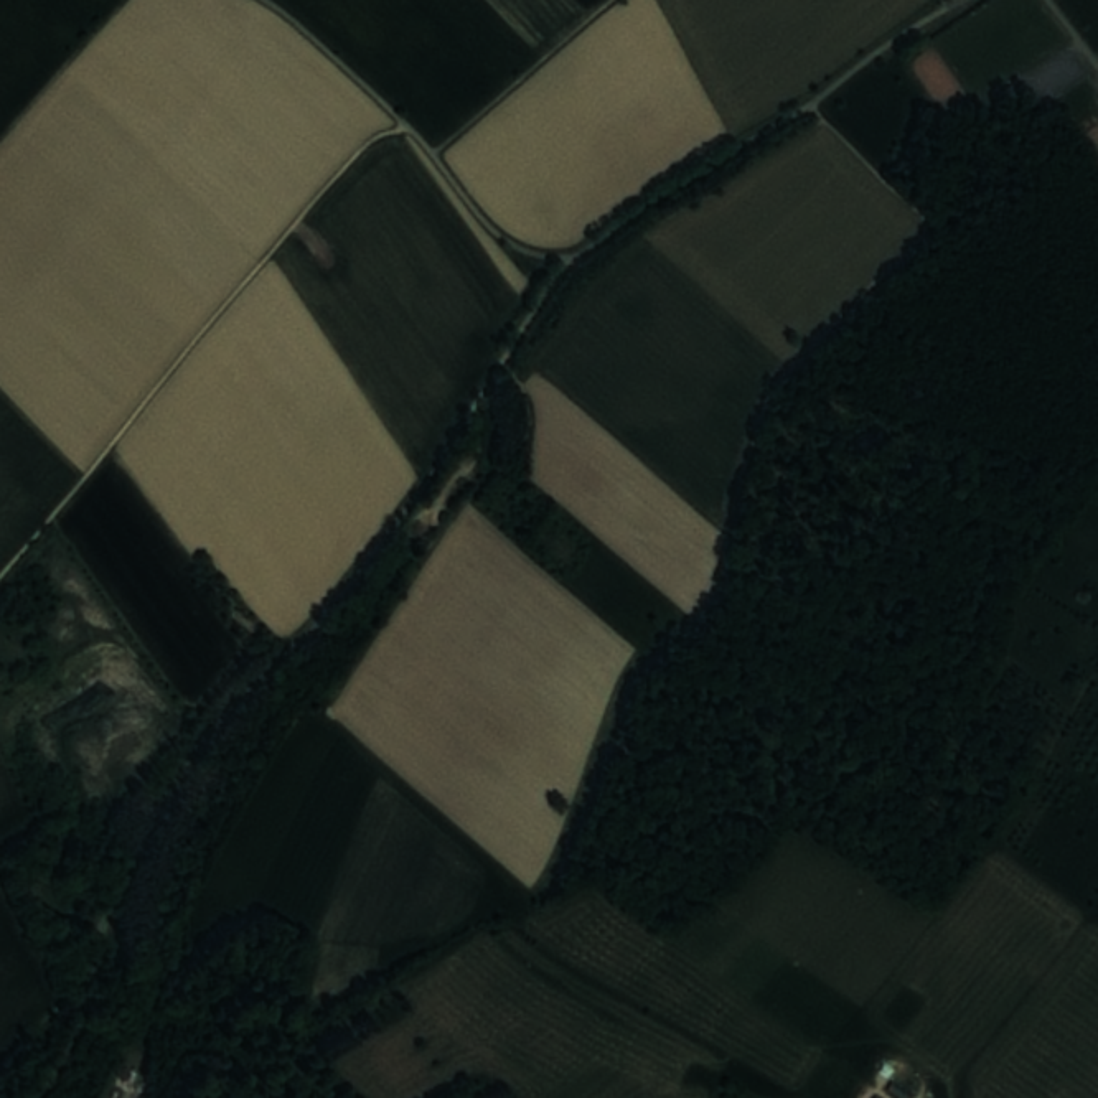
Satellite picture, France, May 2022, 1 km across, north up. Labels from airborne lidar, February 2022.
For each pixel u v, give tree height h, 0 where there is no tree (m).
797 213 0
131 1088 0
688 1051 0
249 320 0
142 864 30
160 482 0
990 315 21
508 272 0
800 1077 0
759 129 0
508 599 0
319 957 0
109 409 0
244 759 27
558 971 0
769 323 0
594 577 0
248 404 0
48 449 0
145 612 0
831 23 0
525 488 12
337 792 0
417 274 0
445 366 0
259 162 0
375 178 0
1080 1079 0
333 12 0
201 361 0
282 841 0
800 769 25
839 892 0
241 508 0
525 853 0
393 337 0
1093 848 0
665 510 0
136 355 0
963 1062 0
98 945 25
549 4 0
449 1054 0
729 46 0
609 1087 0
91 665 0
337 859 0
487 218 0
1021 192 30
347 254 0
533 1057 0
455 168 0
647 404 0
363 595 32
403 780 0
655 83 0
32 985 0
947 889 18
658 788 33
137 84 0
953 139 22
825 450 30
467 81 0
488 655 0
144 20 0
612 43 0
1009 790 28
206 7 0
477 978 0
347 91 0
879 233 0
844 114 0
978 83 0
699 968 0
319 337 0
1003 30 0
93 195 0
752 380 0
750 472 12
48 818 17
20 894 19
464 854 0
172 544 0
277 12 0
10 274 0
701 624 15
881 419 29
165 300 0
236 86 0
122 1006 23
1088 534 0
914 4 0
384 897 0
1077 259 20
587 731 0
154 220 0
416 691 0
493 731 0
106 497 0
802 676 29
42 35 0
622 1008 0
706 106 0
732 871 29
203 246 0
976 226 17
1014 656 0
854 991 0
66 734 0
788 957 0
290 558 0
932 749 33
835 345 23
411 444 0
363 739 0
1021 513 29
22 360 0
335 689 14
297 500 0
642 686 20
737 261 0
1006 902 0
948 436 30
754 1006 0
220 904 0
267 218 0
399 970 12
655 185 12
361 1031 22
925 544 30
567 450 0
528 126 0
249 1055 37
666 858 32
